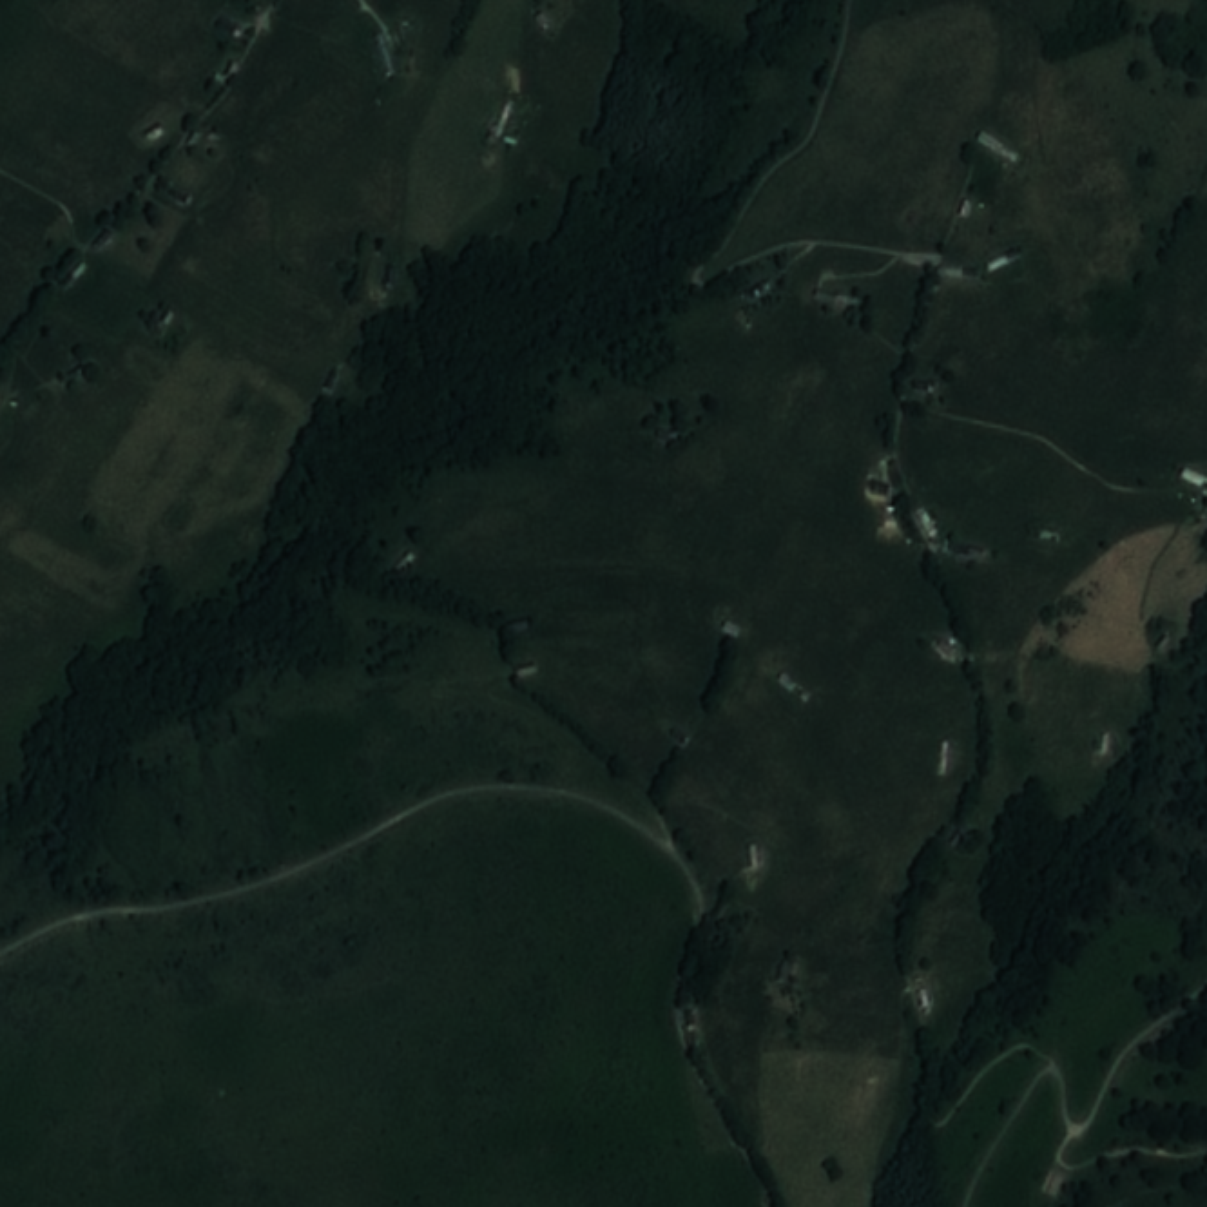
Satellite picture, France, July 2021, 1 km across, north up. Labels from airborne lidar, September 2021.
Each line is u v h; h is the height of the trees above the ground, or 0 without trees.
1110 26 9
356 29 0
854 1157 0
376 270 0
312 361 0
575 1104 0
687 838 12
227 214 0
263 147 0
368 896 0
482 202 0
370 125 0
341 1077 0
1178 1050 14
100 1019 0
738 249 0
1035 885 24
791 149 10
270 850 0
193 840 0
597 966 0
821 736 0
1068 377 0
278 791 0
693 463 0
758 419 0
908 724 0
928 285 16
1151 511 0
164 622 28
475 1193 0
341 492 20
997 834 10
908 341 10
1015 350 0
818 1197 0
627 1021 0
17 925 7
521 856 0
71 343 0
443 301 19
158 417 0
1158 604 0
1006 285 0
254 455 0
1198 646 15
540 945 0
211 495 0
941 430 0
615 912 0
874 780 0
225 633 20
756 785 0
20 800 19
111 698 29
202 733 8
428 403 26
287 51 0
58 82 0
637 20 21
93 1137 0
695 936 15
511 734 0
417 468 15
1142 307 0
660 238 21
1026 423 0
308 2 0
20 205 0
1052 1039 0
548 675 0
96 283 0
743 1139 16
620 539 0
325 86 0
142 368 0
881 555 0
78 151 0
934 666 0
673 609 0
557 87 0
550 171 0
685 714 0
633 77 18
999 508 0
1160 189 0
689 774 0
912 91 0
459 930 0
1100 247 0
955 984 0
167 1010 0
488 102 0
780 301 7
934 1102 14
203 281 0
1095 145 0
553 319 18
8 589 0
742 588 0
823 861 0
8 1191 0
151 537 0
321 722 0
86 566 0
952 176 0
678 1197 0
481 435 19
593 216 20
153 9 0
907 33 0
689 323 0
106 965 0
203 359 0
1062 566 0
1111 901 7
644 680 0
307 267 0
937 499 0
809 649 0
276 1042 0
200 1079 0
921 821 0
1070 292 0
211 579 0
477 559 0
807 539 0
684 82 24
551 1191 0
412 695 0
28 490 0
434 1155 0
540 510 0
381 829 0
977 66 0
